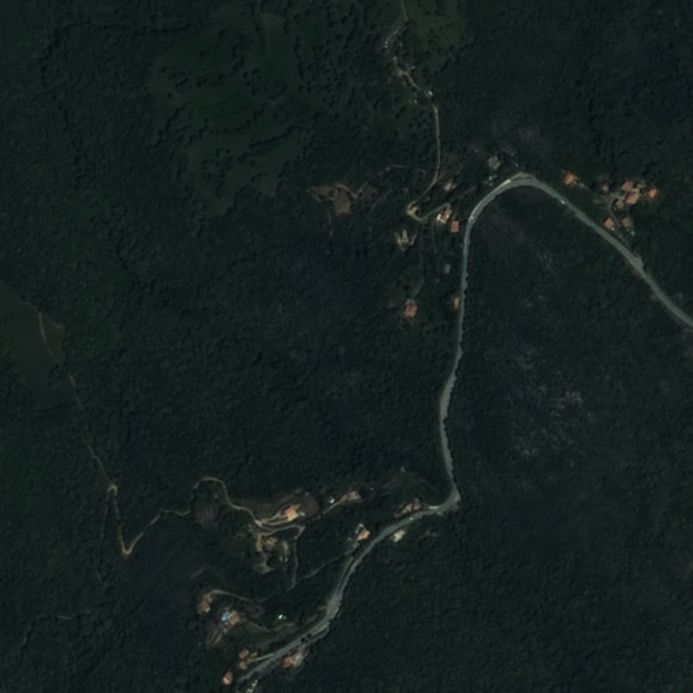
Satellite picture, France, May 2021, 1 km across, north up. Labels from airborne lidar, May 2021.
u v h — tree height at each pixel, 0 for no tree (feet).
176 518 34
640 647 24
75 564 31
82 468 31
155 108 42
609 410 34
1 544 45
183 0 38
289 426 28
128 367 35
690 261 31
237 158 18
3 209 23
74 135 44
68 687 31
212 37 0
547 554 18
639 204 20
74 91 44
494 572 37
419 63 33
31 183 31
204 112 0
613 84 20
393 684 44
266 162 0
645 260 32
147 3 32
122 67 41
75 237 47
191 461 21
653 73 35
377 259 29
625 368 38
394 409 22
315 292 19
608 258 33
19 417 33
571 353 19
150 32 43
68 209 50
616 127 60
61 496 32
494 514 22
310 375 22
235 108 0
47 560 42
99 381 25
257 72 31
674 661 23
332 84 24
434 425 45
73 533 40
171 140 30
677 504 25
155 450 30
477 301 33
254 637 0
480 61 35
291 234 24
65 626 41
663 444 29
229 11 0
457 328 29
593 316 34
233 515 28
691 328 0
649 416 19
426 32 0
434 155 19
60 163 44
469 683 34
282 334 17
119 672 43
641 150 64
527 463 22
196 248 27
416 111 22
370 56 26
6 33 35
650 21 39
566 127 57
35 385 0
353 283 27
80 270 38
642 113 46
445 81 40
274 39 0
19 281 38
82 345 36
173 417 28
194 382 37
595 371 20
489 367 29
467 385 31
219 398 31
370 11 37
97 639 35
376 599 20
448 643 45
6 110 38
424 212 32
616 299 34
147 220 29
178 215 26
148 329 30
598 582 32
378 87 29
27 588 64
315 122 28
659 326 39
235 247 30
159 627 21
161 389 23
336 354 21
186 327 44
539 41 27
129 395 28
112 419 45
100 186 37
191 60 0
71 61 51
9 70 56
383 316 34
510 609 33
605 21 32
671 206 34
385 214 21
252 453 27
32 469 42
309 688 21
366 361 30
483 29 20
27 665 45
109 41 39
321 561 31
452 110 28
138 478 30
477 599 30
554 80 19
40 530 30
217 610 21
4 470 53
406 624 22
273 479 22
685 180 30
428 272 34
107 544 30
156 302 45
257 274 35
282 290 27
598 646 55
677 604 24
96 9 36
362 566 31
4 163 26
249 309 18
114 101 41
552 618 43
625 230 23
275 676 22
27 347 0
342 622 33
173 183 37
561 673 33
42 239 55
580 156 34
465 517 26
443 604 21
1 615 42
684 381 26
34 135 42
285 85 26
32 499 49
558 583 25
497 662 31
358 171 18
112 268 43
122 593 37
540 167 23
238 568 19
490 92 26
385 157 23
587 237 32
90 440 26
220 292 53
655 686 21
